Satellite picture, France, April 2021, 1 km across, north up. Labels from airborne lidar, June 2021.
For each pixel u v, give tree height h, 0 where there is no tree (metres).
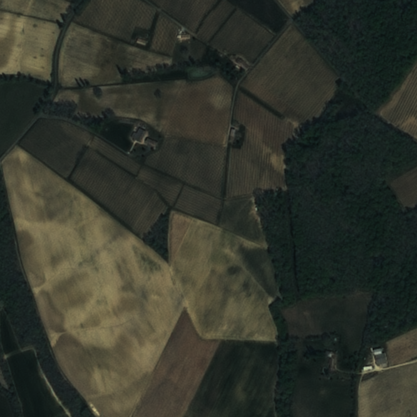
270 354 0
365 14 20
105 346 0
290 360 24
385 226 23
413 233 18
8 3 0
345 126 23
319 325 0
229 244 0
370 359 0
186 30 0
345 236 21
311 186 20
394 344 0
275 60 0
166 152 0
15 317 22
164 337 0
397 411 0
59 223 0
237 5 0
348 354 0
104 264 0
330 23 20
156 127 0
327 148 17
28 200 0
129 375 0
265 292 0
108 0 0
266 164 0
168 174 0
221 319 0
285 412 16
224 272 0
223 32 0
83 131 0
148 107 0
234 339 0
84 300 0
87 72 0
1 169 14
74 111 19
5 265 24
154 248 14
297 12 0
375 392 0
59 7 0
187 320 0
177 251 0
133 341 0
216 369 0
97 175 0
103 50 0
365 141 20
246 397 0
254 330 0
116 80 0
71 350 0
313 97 0
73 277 0
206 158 0
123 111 0
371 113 13
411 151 20
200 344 0
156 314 0
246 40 0
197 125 0
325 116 13
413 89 0
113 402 0
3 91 0
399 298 23
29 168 0
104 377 0
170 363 0
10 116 0
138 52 0
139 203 0
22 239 0
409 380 0
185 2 0
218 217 0
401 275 22
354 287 18
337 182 8
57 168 0
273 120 0
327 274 22
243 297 0
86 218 0
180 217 0
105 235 0
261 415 0
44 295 0
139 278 0
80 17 0
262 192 12
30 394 0
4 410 0
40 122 0
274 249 20
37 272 0
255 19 0
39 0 0
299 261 24
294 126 0
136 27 0
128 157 0
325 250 22
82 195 0
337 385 0
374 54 21
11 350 0
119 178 0
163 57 0
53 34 0
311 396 0
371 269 26
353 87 17
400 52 25
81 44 0
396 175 6
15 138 0
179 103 0
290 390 25
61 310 0
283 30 0
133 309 0
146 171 0
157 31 0
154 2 0
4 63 0
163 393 0
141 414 0
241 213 0
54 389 14
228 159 0
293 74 0
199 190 0
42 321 14
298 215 20
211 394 0
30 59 0
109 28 0
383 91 19
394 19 23
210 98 0
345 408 0
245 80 0
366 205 20
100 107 0
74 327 0
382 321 22
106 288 0
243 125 0
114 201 0
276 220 21
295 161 18
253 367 0
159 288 0
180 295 0
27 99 0
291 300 15
